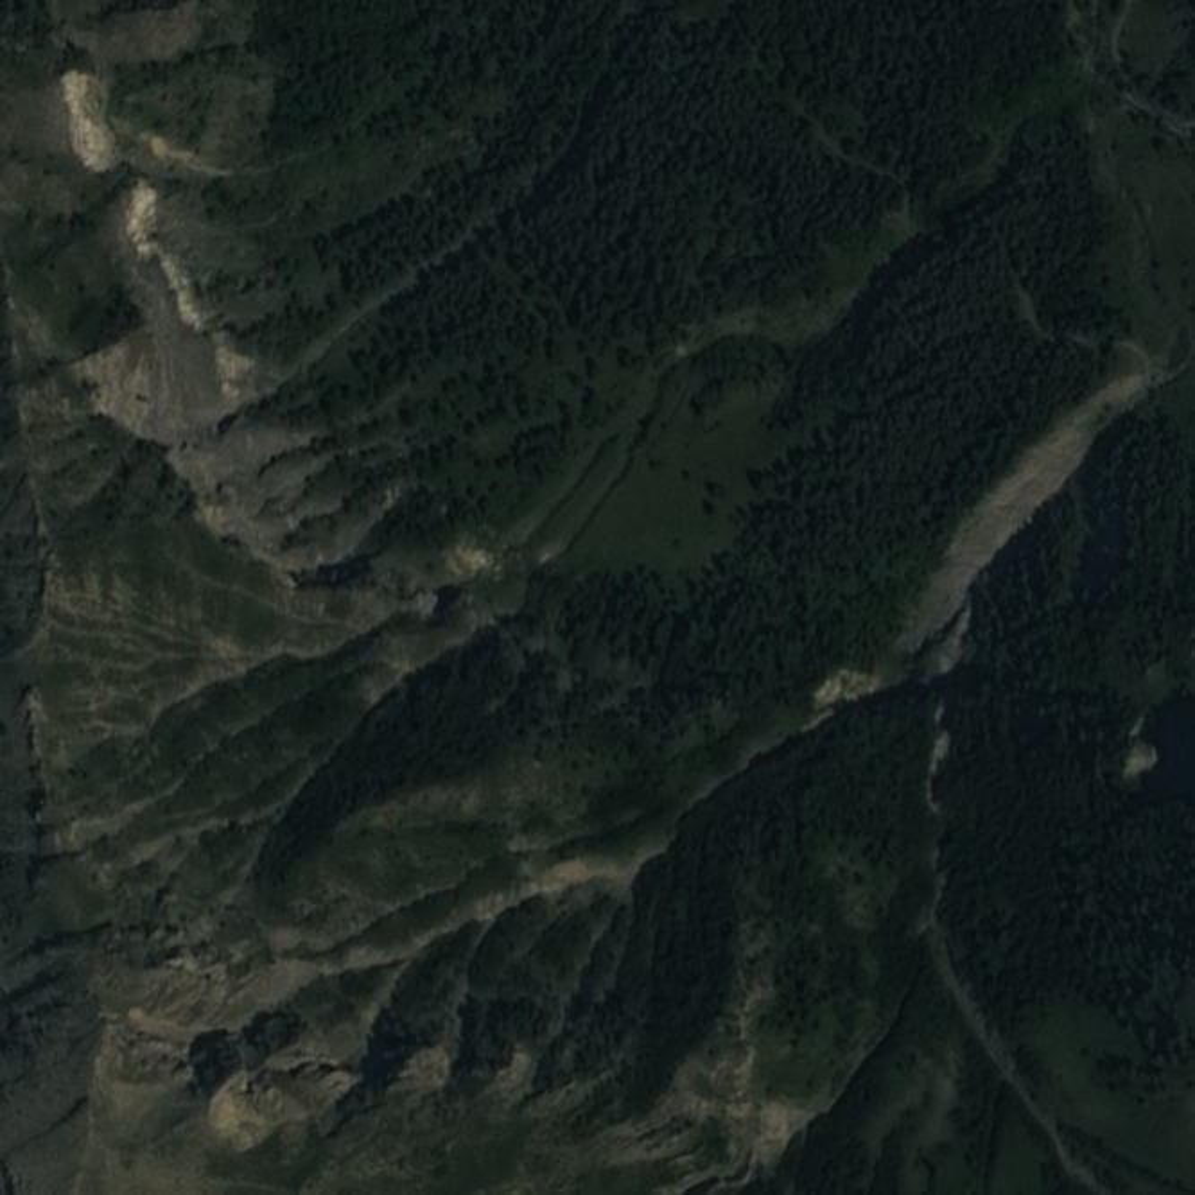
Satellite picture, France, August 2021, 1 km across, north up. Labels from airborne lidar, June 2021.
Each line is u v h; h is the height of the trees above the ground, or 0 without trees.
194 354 0
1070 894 9
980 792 6
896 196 21
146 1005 0
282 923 0
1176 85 10
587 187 38
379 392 10
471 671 8
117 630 0
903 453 20
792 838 14
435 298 23
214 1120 0
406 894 0
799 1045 12
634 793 8
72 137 0
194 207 0
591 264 30
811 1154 7
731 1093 0
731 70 32
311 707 6
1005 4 28
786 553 26
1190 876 8
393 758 6
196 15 0
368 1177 0
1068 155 16
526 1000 8
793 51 21
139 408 0
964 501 8
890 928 8
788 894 10
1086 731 7
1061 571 9
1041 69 16
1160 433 14
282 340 7
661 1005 5
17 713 0
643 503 0
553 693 13
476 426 23
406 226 24
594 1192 0
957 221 10
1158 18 0
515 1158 0
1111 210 11
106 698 0
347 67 30
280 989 0
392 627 9
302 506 0
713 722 9
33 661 0
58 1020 0
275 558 0
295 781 0
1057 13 20
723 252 16
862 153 12
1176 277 0
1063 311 9
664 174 24
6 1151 0
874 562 30
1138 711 7
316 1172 0
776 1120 0
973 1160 11
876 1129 0
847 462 32
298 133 8
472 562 0
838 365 7
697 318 30
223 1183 0
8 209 0
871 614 7
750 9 29
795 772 8
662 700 6
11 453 0
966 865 7
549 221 34
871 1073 6
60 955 0
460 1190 0
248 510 0
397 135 8
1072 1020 0
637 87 28
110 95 0
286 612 0
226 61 7
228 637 0
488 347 23
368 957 0
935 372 33
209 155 0
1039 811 9
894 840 10
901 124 17
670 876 8
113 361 0
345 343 0
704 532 0
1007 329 18
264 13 13
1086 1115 0
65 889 0
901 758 9
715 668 8
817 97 20
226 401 0
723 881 6
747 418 0
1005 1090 6
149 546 0
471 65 6
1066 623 9
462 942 6
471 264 27
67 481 0
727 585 8
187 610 0
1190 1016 0
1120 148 6
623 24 8
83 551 0
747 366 10
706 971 6
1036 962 9
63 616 0
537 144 19
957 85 24
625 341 29
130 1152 0
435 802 0
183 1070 0
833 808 7
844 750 8
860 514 31
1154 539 12
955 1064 0
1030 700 11
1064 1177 6
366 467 7
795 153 24
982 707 8
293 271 11
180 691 0
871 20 27
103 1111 0
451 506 10
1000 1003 9
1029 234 29
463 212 16
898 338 28
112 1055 0
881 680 0
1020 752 8
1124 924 13
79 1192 0
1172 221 0
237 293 0
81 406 0
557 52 8
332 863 0
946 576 0
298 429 0
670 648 7
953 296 25
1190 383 0
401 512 7
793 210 32
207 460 0
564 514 0
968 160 17
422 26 21
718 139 34
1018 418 18
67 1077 0
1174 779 7
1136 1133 0
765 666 8
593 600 13
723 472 0
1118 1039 0
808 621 13
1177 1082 0
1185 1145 0
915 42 15
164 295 0
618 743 6
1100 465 10
